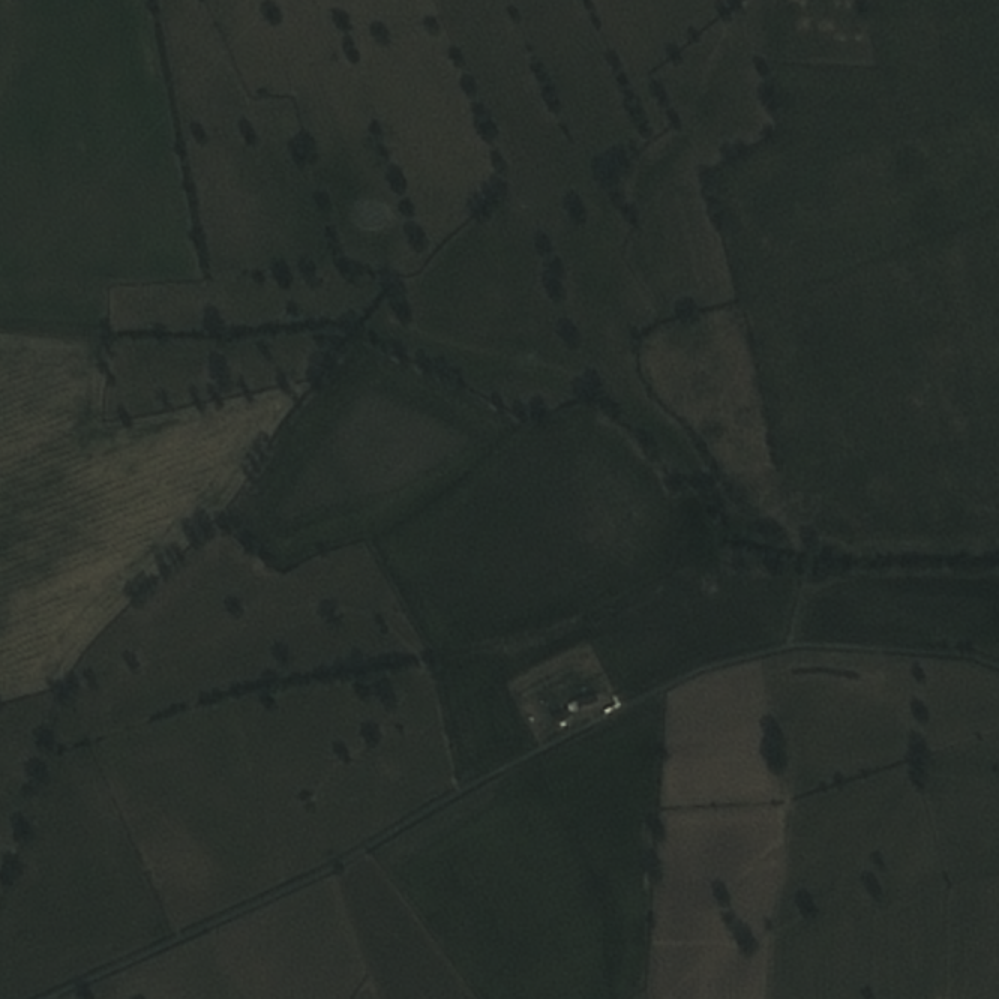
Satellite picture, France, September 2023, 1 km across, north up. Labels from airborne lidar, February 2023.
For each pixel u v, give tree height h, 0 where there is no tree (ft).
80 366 0
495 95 0
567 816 0
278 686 40
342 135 0
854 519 0
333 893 0
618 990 0
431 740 0
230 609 36
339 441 0
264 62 0
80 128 0
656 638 0
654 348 0
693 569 0
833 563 65
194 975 0
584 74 0
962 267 0
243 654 0
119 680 0
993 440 0
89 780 0
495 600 0
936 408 0
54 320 0
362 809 0
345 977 0
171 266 0
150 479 0
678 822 0
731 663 0
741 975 0
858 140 0
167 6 0
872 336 0
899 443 0
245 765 0
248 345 0
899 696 0
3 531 0
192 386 0
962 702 0
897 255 0
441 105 0
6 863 33
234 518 0
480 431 0
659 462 25
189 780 0
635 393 0
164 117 0
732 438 0
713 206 51
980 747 0
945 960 0
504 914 0
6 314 0
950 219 0
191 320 0
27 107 0
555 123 0
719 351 0
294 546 0
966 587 0
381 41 34
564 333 57
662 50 0
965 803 0
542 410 59
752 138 0
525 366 0
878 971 0
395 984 0
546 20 0
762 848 0
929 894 0
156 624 0
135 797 0
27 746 0
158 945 0
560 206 0
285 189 0
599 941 0
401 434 0
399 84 0
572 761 0
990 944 0
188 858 0
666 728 0
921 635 0
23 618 0
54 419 0
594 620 0
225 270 0
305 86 0
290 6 0
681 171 0
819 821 0
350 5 0
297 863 0
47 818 0
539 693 0
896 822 0
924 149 0
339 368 49
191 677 0
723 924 29
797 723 0
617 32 0
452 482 0
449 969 0
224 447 0
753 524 0
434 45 0
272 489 0
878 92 0
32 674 0
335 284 0
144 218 0
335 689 0
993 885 0
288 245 0
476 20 0
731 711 0
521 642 0
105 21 0
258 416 0
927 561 22
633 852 0
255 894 0
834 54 0
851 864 0
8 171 0
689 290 0
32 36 0
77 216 0
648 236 0
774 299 0
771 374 0
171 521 0
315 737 0
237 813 0
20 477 0
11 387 0
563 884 0
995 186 0
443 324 0
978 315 0
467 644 0
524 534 0
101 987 0
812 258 0
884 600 0
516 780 0
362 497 0
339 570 0
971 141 0
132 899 0
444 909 0
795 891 0
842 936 0
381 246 0
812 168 0
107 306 0
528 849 0
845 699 0
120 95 0
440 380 48
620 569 0
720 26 0
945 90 0
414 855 0
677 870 0
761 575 0
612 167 57
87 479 0
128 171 0
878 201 0
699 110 0
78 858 0
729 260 25
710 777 0
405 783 0
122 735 0
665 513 0
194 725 0
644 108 39
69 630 0
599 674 0
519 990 0
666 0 0
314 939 0
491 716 0
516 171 0
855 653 0
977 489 0
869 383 0
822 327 0
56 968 0
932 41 0
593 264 0
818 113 0
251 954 0
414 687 0
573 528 0
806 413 0
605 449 0
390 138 0
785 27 0
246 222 0
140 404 0
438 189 0
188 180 24
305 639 0
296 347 0
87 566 0
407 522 0
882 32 0
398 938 0
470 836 0
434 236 0
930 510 0
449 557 0
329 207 36
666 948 0
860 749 0
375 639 0
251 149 0
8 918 0
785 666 0
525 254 0
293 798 0
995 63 0
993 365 0
